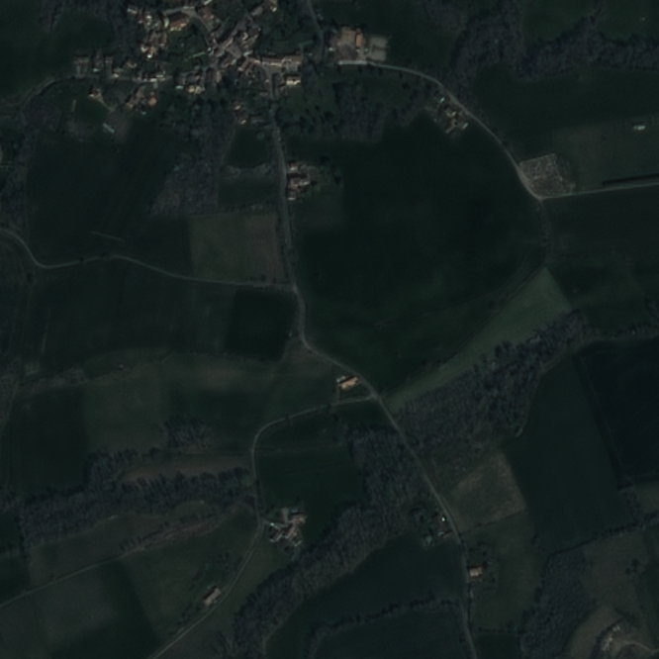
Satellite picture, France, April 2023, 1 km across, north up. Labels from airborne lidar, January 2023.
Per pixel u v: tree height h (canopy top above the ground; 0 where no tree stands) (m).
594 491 0
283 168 0
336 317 0
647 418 0
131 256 0
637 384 0
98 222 0
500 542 0
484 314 0
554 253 0
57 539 15
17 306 0
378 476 30
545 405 0
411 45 0
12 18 0
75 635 0
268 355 0
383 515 34
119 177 0
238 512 0
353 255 0
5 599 0
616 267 0
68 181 0
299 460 0
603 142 0
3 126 0
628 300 0
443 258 0
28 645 0
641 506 6
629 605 0
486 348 0
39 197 0
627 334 6
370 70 13
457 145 0
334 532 16
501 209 0
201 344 0
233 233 0
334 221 0
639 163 0
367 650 0
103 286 0
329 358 0
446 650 0
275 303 0
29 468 0
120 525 0
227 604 0
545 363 21
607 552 0
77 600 0
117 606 0
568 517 0
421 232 0
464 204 0
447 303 0
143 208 0
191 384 0
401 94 0
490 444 0
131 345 0
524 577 0
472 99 18
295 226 0
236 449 0
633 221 0
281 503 0
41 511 25
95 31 0
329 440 0
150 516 8
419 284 0
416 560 0
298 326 8
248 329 0
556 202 0
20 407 0
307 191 10
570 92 0
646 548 0
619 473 0
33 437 0
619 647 0
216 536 0
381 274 0
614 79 0
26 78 0
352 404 0
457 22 25
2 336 0
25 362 0
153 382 0
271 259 0
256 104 0
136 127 0
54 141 0
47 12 14
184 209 7
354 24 0
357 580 0
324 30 17
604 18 0
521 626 0
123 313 0
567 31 0
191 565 0
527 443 0
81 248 0
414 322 0
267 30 8
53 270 0
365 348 0
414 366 0
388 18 0
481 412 30
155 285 0
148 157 0
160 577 0
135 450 0
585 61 14
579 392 0
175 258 0
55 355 0
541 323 0
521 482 0
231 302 0
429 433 14
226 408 0
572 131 0
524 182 0
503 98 0
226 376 0
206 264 0
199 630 0
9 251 0
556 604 8
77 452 0
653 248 0
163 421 0
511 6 18
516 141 0
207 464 0
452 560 0
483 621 0
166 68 0
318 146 0
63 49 0
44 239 0
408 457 24
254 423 0
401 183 0
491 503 0
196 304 0
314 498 0
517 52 34
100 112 0
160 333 0
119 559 0
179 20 0
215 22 0
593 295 0
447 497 0
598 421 0
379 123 18
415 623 0
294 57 0
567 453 0
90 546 0
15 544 0
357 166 0
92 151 0
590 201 0
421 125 0
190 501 9
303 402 0
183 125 11
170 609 0
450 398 18
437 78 14
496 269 0
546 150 0
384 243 0
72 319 0
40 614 0
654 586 0
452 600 0
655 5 0
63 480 0
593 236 0
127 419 0
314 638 11
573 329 35
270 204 8
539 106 0
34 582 0
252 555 0
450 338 0
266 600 24
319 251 0
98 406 0
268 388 0
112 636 0
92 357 0
